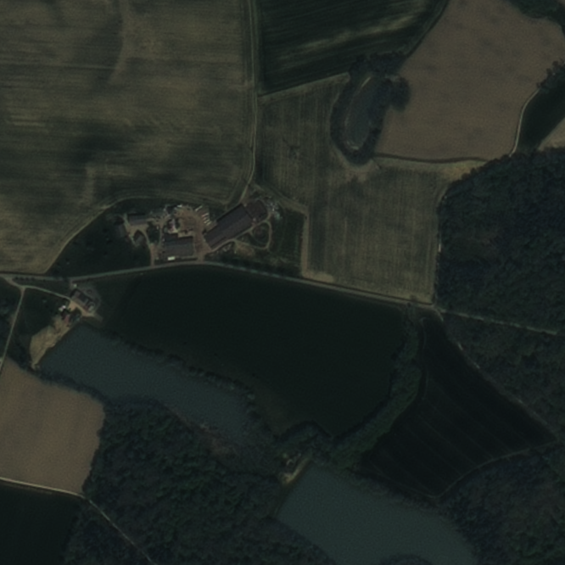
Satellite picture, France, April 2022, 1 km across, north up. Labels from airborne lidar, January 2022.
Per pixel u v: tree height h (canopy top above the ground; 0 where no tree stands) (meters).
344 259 0
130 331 0
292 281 0
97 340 0
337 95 0
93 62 0
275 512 0
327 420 0
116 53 0
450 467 0
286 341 0
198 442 22
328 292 0
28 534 0
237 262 10
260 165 0
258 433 9
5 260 0
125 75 0
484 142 0
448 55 0
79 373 0
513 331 25
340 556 0
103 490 22
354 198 0
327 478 0
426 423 0
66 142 0
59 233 0
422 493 0
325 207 0
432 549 0
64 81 0
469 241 0
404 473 0
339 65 0
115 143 0
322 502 0
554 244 27
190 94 0
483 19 0
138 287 0
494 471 17
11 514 0
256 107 0
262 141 0
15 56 0
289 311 0
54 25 0
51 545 0
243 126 0
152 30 0
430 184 0
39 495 0
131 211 0
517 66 0
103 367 0
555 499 29
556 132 0
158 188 0
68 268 0
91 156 0
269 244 0
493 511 23
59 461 0
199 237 0
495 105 0
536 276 26
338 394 0
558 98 0
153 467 29
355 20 0
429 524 0
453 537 0
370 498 0
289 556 26
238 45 0
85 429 0
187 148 0
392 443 0
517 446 0
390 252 0
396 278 0
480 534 18
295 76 0
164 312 0
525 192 22
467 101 0
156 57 0
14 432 0
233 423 0
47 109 0
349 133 0
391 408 20
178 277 0
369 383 0
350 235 0
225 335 0
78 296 0
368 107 0
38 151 0
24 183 0
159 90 0
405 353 14
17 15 0
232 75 0
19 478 0
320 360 0
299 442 20
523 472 32
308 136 0
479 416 0
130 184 0
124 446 19
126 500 25
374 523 0
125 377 0
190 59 0
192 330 0
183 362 18
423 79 0
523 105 0
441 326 0
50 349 0
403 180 0
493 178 22
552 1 22
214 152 0
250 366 0
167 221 0
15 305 13
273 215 0
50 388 0
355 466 0
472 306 28
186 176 0
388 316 0
